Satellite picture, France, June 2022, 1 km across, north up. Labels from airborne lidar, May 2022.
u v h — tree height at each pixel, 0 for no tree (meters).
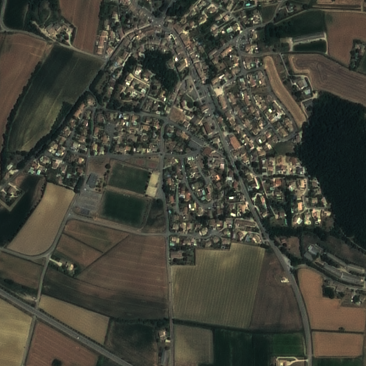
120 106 13
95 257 0
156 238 0
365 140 16
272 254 0
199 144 0
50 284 0
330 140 16
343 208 13
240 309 0
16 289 0
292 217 12
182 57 0
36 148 15
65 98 0
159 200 10
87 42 0
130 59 15
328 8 0
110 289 0
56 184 7
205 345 0
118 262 0
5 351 0
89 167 0
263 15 0
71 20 0
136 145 14
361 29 0
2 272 0
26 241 0
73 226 0
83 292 0
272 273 0
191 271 0
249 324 0
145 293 0
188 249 8
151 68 11
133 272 0
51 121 0
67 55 0
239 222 0
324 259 14
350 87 0
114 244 0
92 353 0
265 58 0
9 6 0
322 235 11
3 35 0
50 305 0
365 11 0
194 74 0
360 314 0
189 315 0
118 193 0
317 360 0
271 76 0
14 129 0
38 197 0
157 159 0
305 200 0
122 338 0
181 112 0
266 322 0
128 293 0
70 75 0
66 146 7
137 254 0
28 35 0
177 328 0
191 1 6
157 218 0
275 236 10
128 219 0
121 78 7
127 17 11
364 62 0
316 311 0
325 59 0
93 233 0
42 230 0
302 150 13
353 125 14
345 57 0
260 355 0
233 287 0
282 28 14
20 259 0
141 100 9
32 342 0
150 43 0
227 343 0
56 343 0
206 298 0
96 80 9
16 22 0
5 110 0
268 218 8
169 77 12
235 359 0
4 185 0
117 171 0
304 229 10
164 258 0
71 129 8
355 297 8
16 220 0
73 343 0
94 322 0
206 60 9
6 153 13
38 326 0
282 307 0
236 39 0
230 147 0
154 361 0
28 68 0
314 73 0
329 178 15
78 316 0
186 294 0
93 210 0
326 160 14
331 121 11
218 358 0
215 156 0
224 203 6
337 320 0
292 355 0
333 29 0
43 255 0
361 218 14
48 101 0
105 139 0
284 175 9
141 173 0
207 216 11
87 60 0
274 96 0
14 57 0
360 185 9
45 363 0
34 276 0
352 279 0
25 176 0
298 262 13
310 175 14
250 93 0
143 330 0
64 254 0
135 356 0
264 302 0
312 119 17
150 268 0
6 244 0
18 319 0
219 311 0
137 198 0
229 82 0
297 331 0
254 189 7
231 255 0
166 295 0
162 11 16
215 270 0
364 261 0
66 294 0
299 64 0
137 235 0
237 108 0
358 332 7
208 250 0
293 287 0
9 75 0
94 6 0
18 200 0
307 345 0
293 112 0
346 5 0
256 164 12
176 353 0
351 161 13
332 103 10
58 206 0
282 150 0
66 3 0
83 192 0
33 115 0
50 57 0
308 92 0
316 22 0
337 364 0
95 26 0
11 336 0
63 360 0
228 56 5
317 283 0
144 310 0
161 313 0
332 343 0
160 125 10
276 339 0
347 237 9
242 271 0
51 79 0
